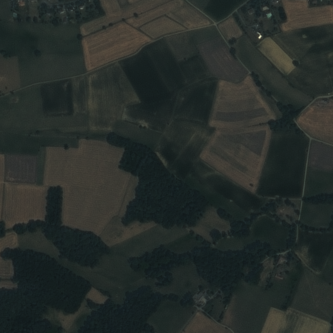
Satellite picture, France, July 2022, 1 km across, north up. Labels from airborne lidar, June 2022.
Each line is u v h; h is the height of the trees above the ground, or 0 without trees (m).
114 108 0
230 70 0
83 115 0
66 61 0
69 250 26
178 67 0
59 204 19
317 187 0
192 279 0
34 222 19
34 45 0
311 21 0
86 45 0
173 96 0
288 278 0
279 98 0
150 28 0
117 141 18
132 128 0
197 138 0
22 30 0
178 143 0
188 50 0
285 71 0
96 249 27
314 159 0
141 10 0
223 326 0
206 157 0
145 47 0
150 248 0
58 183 0
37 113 0
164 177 24
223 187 0
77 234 23
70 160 0
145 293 22
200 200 27
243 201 0
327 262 0
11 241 0
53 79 0
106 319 9
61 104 0
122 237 0
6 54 9
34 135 0
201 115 0
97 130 0
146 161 25
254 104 0
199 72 0
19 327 15
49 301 19
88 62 0
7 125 0
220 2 0
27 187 0
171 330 0
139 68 0
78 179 0
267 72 0
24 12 0
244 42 0
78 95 0
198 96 0
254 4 17
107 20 0
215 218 0
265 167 0
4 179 0
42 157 0
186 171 0
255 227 0
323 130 0
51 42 0
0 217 0
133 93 0
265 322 0
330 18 0
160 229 0
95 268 0
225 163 0
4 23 0
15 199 0
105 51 0
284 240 0
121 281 0
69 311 19
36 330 28
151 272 23
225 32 0
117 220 0
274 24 6
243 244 0
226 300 7
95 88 0
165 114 0
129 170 9
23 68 0
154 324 0
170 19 0
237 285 8
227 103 0
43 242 0
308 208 0
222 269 19
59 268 20
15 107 0
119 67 0
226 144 0
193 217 30
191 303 17
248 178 0
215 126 0
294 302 0
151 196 31
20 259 26
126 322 22
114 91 0
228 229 0
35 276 18
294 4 0
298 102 0
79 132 0
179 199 28
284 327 0
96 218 0
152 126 0
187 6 0
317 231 7
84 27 0
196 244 0
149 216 25
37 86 0
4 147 0
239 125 0
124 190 0
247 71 0
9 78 0
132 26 0
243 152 0
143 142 0
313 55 0
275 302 0
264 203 0
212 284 16
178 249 0
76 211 0
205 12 0
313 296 0
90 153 0
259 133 0
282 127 20
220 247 0
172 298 18
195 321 0
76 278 17
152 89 0
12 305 25
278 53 0
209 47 0
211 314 7
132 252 0
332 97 6
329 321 0
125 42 0
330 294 0
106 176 0
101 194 0
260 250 25
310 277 0
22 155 0
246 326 0
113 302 11
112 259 0
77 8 11
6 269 0
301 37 0
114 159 0
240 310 0
